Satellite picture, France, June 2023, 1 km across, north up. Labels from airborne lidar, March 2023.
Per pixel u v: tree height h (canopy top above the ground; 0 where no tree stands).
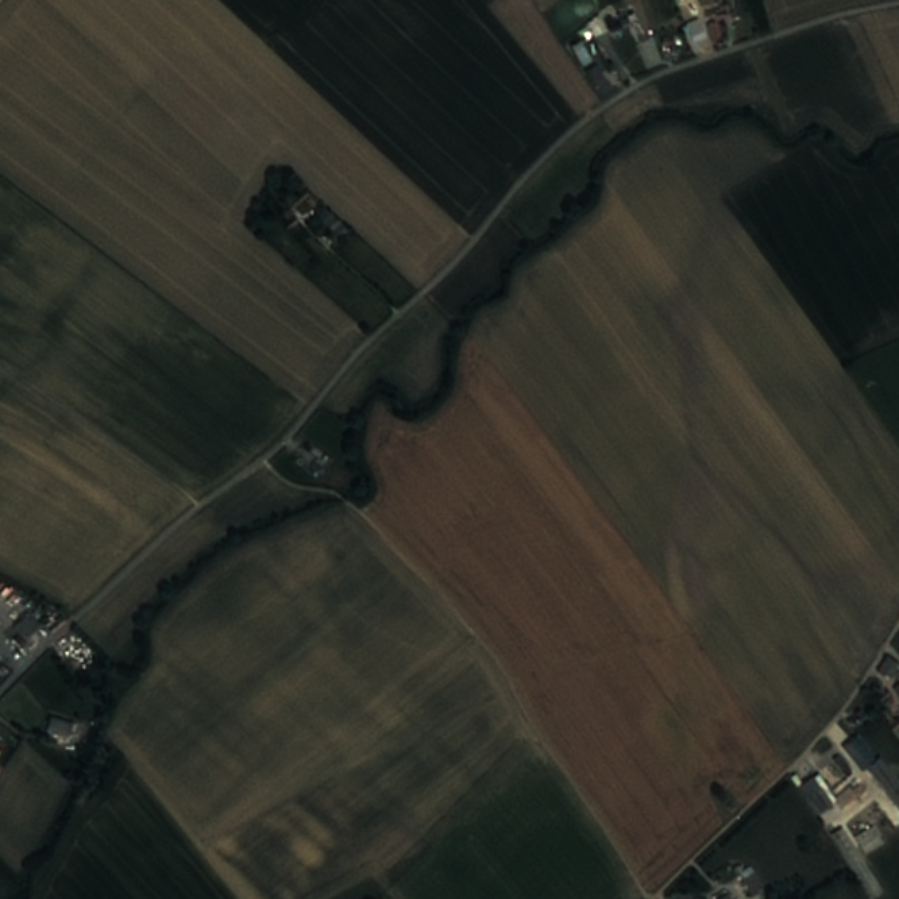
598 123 0
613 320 0
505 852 0
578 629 0
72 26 0
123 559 0
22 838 0
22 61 0
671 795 0
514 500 0
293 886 0
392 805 0
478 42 0
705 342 0
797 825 0
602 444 0
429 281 0
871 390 0
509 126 0
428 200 0
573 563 0
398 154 0
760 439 0
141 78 0
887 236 0
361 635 0
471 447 0
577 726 0
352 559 0
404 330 0
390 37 0
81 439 0
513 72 0
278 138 0
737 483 0
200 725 0
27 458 0
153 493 0
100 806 0
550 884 0
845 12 0
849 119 0
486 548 0
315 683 0
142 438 0
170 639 0
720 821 0
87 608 0
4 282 0
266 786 0
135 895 0
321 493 0
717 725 0
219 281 0
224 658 0
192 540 0
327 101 0
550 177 0
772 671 0
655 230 0
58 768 0
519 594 0
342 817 0
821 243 0
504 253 0
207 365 0
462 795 0
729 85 0
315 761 0
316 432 0
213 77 0
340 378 0
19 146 0
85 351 0
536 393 0
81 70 0
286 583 0
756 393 0
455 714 0
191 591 0
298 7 0
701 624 0
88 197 0
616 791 0
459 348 0
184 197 0
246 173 0
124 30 0
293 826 0
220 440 0
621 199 0
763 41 0
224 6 0
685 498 0
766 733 0
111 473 0
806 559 0
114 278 0
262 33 0
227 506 0
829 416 0
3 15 0
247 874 0
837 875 7
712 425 0
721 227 0
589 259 0
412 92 0
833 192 0
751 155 0
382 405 0
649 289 0
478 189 0
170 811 0
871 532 0
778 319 0
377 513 0
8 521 0
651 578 0
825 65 0
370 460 0
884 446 0
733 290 0
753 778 0
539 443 0
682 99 0
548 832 0
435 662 0
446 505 0
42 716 0
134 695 0
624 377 0
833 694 0
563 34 0
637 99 0
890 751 0
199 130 0
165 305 0
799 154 0
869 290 0
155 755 0
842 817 0
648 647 0
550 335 0
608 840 0
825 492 0
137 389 0
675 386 0
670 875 0
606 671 0
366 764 0
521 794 0
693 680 0
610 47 0
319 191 0
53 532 0
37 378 0
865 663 0
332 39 0
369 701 0
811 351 0
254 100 0
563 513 0
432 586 0
